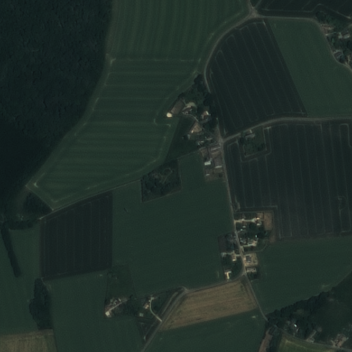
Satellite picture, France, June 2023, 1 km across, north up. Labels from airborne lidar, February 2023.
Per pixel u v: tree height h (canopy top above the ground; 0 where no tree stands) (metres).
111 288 0
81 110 23
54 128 28
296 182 0
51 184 0
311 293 0
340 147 0
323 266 0
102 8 25
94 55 17
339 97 0
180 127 0
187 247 0
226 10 0
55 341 0
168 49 0
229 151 0
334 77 0
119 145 0
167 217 0
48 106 32
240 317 0
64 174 0
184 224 0
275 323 14
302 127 0
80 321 0
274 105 0
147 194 15
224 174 0
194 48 0
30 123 24
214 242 0
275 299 0
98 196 0
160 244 0
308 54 0
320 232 0
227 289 0
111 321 0
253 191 0
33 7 28
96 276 0
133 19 0
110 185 0
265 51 0
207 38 0
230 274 0
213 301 0
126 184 0
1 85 27
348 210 0
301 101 0
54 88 29
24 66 22
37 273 0
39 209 17
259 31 0
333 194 0
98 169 0
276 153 0
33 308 17
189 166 0
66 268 0
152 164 0
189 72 0
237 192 0
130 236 0
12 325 0
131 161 0
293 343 0
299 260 0
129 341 0
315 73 0
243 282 0
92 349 0
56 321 0
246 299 0
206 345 0
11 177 9
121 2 0
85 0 30
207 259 0
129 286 0
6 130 12
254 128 0
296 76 0
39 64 26
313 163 0
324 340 0
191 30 0
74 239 0
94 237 0
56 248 0
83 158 0
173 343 0
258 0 0
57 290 0
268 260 0
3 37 25
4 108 24
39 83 22
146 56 0
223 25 0
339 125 0
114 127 0
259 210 0
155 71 0
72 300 0
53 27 27
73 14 27
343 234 0
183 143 0
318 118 0
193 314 0
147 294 0
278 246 0
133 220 0
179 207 0
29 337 0
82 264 0
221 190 0
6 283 0
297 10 0
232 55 0
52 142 16
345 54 13
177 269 0
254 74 0
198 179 0
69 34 29
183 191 0
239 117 0
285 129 0
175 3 0
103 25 23
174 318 0
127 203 0
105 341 0
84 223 0
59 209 0
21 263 0
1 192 13
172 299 0
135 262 0
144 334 0
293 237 0
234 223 0
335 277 0
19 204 0
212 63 0
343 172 0
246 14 0
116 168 0
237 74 0
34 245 0
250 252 0
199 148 13
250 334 0
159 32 0
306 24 0
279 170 0
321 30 0
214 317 0
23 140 10
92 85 21
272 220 0
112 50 0
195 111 8
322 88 0
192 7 0
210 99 22
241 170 0
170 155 0
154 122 0
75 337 0
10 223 14
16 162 11
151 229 0
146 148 0
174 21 0
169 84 0
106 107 0
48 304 15
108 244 0
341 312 0
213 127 18
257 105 0
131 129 0
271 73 0
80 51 32
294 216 0
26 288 0
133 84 0
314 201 0
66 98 30
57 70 26
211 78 0
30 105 30
